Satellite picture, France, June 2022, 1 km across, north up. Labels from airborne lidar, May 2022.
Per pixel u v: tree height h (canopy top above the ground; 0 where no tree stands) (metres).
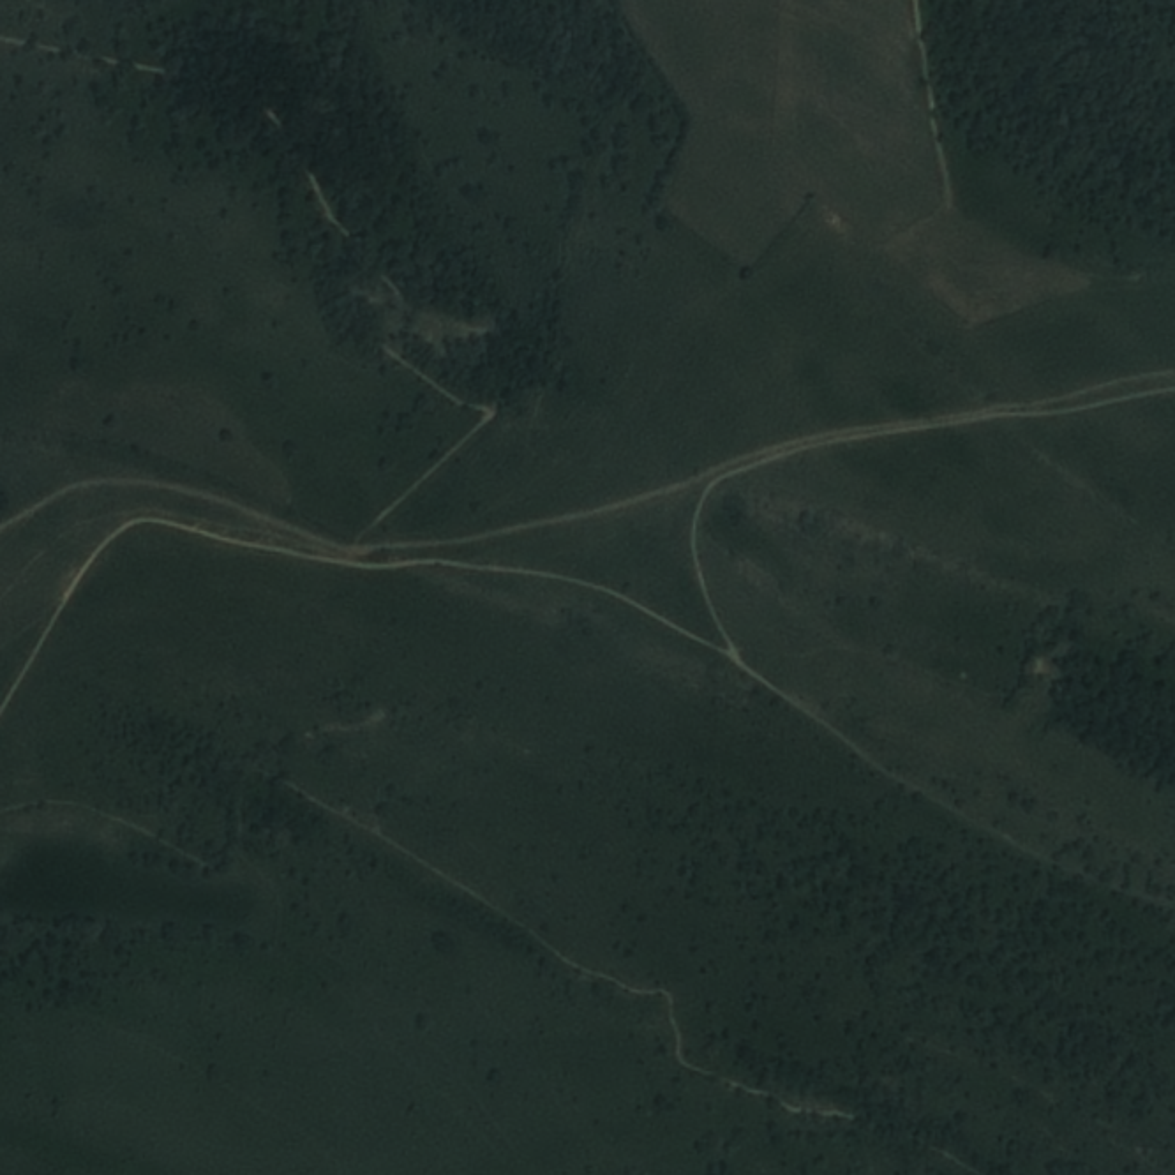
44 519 0
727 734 0
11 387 0
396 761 0
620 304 0
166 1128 0
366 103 16
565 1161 0
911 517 0
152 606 0
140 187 0
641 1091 0
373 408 0
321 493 0
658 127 13
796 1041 0
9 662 0
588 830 0
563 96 0
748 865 12
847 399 0
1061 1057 11
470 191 13
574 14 8
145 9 13
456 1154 0
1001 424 0
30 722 0
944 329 0
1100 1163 0
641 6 0
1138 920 0
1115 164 10
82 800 0
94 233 0
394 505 0
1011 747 0
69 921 11
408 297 17
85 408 0
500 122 0
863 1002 0
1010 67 17
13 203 0
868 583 0
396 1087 0
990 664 0
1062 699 15
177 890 0
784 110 0
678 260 0
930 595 0
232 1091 0
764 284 0
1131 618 6
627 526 0
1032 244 0
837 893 9
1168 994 8
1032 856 0
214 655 0
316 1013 0
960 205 0
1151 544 0
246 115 22
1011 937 11
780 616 0
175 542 0
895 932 13
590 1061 0
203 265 0
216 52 15
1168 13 10
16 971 14
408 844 0
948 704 0
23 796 0
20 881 0
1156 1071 10
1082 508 0
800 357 0
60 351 0
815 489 0
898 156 0
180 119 15
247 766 10
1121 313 0
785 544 0
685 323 0
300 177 12
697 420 0
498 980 0
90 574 0
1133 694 21
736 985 0
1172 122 8
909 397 0
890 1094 11
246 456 0
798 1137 7
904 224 0
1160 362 0
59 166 0
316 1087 0
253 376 0
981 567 0
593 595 0
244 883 0
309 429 0
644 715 0
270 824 23
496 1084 12
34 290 0
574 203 11
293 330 0
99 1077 0
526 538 0
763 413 0
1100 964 11
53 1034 0
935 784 8
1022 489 0
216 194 0
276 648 0
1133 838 0
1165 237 9
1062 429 0
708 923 0
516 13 14
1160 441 0
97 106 7
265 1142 0
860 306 0
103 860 0
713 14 0
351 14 14
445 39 7
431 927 0
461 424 0
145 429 0
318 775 0
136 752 6
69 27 11
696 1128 0
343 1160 0
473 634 0
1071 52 17
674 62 0
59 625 0
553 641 0
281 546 0
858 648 0
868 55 0
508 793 0
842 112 0
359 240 12
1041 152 10
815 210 0
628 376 0
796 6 0
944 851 9
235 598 0
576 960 0
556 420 0
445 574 0
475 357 10
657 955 0
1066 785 0
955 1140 12
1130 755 12
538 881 0
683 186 0
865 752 0
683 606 0
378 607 0
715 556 0
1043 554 0
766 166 0
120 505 0
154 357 0
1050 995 18
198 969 0
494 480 0
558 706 0
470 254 9
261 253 0
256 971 0
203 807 7
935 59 10
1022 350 0
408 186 8
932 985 12
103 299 0
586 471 0
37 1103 0
